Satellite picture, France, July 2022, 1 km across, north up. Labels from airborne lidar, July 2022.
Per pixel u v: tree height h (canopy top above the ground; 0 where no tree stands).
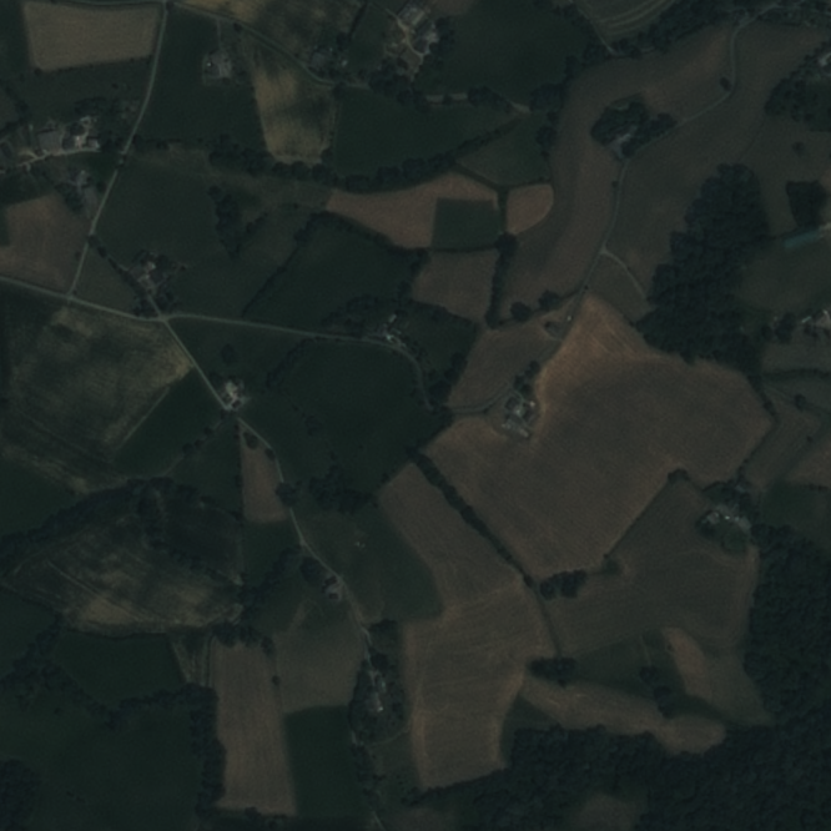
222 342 0
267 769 0
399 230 0
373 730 11
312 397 0
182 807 0
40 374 0
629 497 0
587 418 0
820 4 7
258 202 0
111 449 0
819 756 12
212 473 0
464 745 0
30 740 0
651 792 10
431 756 0
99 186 8
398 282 0
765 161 0
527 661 0
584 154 0
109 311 0
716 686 0
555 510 0
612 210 0
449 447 0
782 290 0
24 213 0
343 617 0
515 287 0
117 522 0
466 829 7
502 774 15
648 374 0
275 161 11
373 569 0
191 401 0
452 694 0
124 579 0
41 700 0
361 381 0
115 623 0
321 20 0
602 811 0
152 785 0
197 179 0
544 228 0
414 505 0
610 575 0
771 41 0
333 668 0
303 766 0
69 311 0
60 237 0
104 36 0
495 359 0
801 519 0
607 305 0
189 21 0
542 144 18
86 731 0
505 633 0
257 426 0
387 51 0
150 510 24
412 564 0
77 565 0
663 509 0
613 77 0
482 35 0
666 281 17
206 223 0
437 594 0
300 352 10
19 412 0
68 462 0
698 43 0
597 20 0
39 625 0
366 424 0
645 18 0
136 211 0
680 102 0
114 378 0
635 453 0
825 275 0
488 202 0
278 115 0
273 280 9
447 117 0
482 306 0
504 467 0
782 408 0
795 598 11
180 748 0
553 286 0
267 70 0
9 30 0
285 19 0
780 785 31
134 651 0
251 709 0
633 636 0
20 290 0
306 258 0
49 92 0
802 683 9
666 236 0
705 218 20
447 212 0
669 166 0
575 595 17
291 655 0
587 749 24
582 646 0
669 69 0
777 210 0
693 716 0
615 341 0
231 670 0
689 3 11
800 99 10
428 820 0
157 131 0
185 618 0
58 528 21
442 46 15
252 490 0
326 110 0
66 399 0
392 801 0
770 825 20
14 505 0
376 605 0
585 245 0
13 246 0
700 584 0
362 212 0
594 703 0
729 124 0
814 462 0
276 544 0
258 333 0
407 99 21
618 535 0
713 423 0
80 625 0
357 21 8
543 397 0
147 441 0
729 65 0
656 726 0
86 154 0
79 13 0
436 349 0
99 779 0
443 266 0
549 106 17
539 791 16
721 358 23
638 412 0
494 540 8
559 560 0
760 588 7
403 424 0
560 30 0
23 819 20
